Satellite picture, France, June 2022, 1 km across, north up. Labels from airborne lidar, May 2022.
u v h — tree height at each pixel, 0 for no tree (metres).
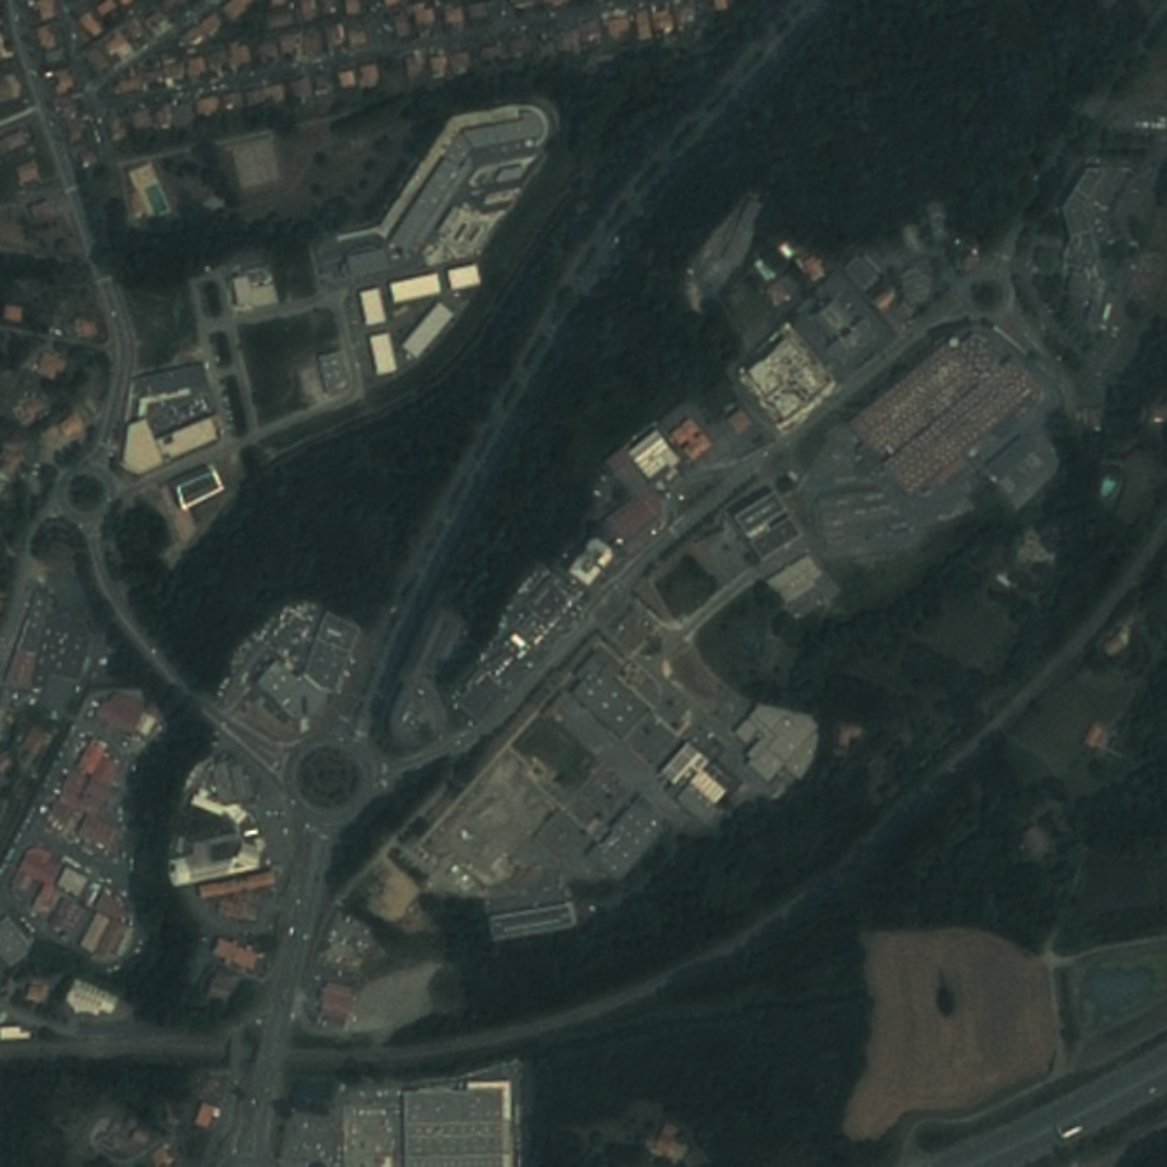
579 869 0
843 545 0
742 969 24
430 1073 10
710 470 0
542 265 16
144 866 11
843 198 26
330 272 0
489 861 0
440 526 8
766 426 0
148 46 0
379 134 0
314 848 0
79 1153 0
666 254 19
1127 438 16
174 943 20
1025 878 21
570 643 0
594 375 8
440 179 0
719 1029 19
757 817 19
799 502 0
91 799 0
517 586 8
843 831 20
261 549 24
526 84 17
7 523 14
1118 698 0
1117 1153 0
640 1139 9
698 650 0
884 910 21
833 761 16
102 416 0
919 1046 0
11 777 11
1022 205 24
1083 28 18
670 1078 21
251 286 0
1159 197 19
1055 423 18
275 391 0
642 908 28
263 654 0
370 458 22
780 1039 22
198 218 27
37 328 10
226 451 0
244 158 0
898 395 0
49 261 10
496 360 13
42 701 0
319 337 0
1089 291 0
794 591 0
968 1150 0
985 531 13
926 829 25
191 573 18
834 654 28
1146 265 0
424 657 0
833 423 0
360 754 0
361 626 16
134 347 0
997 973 0
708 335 19
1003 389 0
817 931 25
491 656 0
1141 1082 0
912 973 0
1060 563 8
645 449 0
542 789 0
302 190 0
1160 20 0
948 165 27
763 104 20
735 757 0
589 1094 18
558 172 0
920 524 0
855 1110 0
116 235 20
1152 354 20
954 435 0
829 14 18
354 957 0
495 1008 20
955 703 17
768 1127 21
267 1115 0
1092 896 0
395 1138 0
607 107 29
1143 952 0
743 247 0
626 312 14
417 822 9
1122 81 19
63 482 0
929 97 15
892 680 0
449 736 0
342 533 22
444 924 20
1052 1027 0
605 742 0
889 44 15
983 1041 0
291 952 0
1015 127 24
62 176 0
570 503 24
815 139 24
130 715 0
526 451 21
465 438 14
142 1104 12
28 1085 12
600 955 30
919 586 6
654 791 0
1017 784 16
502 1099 0
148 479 0
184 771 10
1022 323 0
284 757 0
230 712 0
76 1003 0
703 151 19
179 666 9
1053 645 18
